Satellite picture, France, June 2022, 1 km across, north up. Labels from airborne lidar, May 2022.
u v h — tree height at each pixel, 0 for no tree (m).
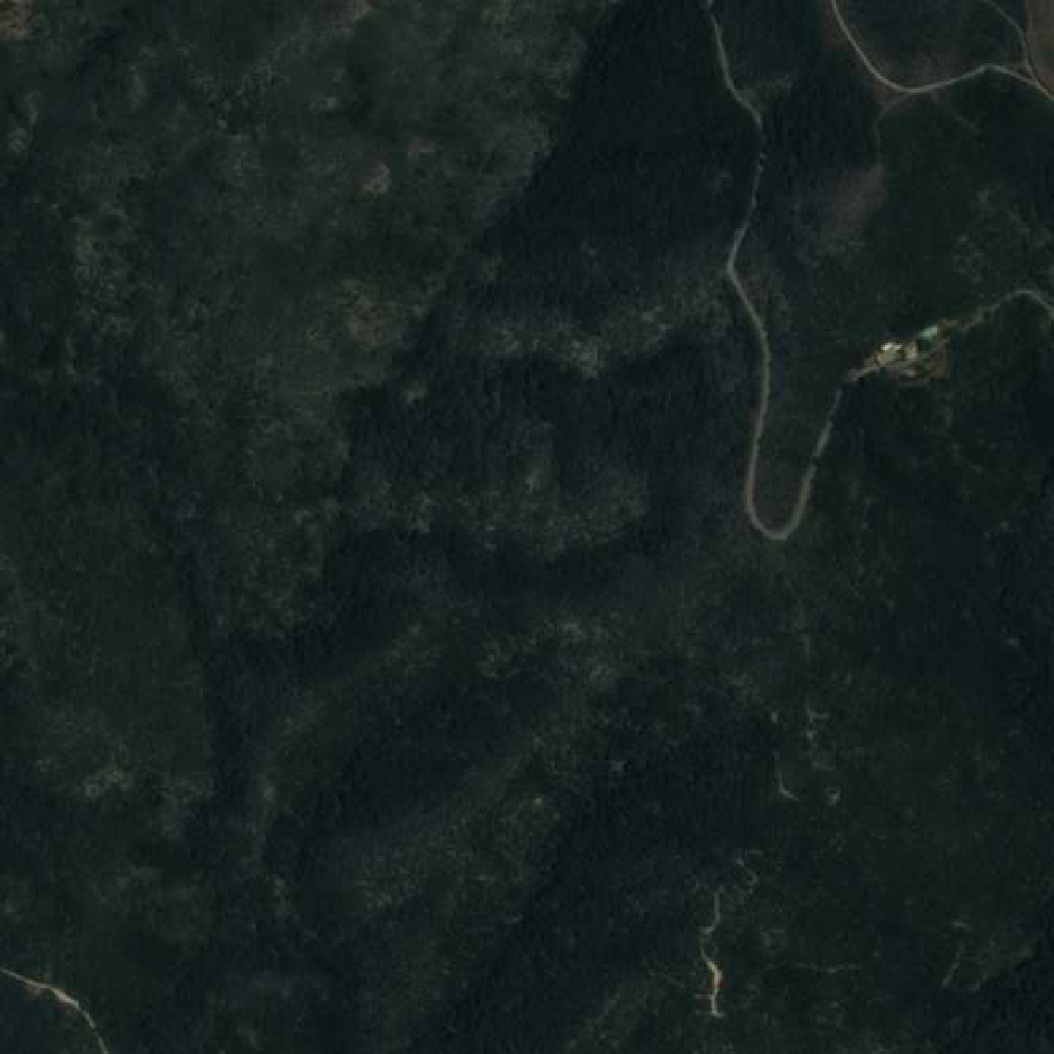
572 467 7
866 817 8
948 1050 11
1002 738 16
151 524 6
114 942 7
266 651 13
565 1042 6
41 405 15
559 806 9
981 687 11
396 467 6
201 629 9
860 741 6
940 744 9
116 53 9
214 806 9
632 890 7
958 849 8
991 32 6
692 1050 5
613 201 14
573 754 8
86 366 6
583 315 9
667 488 6
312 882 9
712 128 16
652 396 10
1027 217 10
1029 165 11
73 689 7
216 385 6
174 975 9
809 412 7
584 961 9
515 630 9
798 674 6
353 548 10
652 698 12
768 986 10
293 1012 9
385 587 7
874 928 10
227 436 8
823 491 6
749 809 9
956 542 9
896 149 6
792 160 9
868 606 11
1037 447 8
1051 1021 13
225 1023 12
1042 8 0
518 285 7
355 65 8
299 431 6
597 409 12
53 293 6
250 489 6
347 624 11
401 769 13
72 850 8
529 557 8
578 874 15
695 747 9
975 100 7
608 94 17
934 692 10
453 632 8
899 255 10
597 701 8
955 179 9
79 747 7
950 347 8
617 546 10
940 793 7
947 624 16
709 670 6
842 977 8
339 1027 16
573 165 14
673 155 16
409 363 8
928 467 12
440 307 8
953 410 6
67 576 8
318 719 5
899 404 14
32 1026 9
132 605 9
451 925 8
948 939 8
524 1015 10
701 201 11
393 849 7
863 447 7
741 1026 7
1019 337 7
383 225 6
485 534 6
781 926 6
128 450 7
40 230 11
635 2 11
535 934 16
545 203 16
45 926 7
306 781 6
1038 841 10
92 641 9
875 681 8
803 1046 7
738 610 7
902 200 10
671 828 9
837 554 7
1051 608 7
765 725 12
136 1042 9
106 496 7
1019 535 13
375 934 6
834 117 12
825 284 6
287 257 6
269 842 8
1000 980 13
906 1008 9
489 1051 11
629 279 5
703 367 9
